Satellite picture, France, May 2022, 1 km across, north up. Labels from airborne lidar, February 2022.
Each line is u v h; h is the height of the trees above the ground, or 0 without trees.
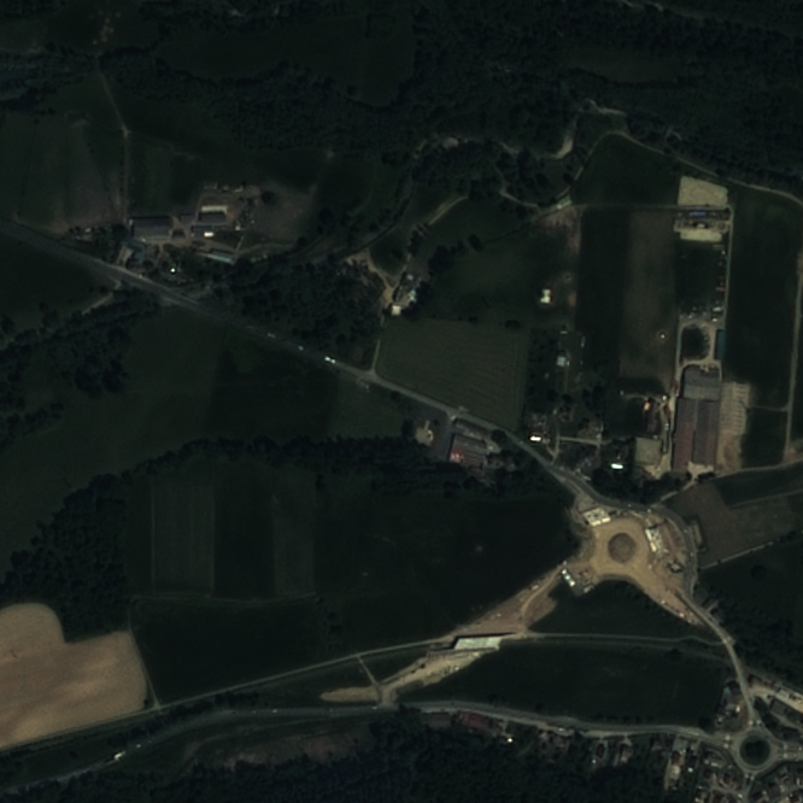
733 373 0
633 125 15
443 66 20
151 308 18
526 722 0
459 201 0
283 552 0
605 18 14
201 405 0
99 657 0
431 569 0
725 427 0
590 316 0
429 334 0
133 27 0
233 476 0
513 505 0
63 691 0
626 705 0
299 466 15
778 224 0
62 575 19
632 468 6
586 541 0
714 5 8
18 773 15
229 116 14
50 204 0
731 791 0
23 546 0
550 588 0
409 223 0
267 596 0
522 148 0
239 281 19
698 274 0
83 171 0
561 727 0
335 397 0
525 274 0
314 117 21
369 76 0
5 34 0
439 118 15
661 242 0
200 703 0
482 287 0
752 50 24
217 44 0
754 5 15
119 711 0
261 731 0
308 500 0
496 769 25
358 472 15
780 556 0
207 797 19
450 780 24
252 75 0
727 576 0
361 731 0
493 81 14
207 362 0
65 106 0
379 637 0
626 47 24
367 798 31
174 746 0
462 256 11
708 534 0
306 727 0
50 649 0
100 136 0
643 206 0
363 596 0
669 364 0
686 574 0
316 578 0
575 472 0
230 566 0
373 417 0
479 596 0
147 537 0
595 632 0
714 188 0
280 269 22
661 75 0
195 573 0
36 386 0
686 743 0
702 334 0
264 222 0
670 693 0
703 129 23
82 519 18
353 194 0
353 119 23
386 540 0
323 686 0
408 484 17
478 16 22
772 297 0
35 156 0
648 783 20
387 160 14
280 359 0
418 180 15
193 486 0
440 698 0
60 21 0
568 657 0
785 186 14
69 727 0
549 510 0
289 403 0
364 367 0
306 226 0
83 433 0
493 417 0
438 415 0
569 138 0
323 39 0
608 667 0
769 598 0
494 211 0
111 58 16
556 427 0
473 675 0
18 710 0
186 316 0
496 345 0
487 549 0
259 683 0
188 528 0
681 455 0
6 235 0
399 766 14
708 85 25
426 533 0
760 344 0
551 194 0
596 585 0
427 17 23
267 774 15
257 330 0
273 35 0
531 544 0
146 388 0
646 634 0
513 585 0
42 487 0
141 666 0
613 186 0
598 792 24
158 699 0
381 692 0
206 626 0
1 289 0
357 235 9
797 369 0
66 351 24
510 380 0
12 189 0
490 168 13
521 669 0
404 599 0
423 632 0
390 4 14
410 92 20
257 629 0
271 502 0
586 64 0
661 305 0
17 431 15
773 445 0
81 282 0
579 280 0
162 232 0
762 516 0
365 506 0
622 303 0
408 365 0
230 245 0
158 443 0
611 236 0
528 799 23
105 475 0
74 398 0
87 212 0
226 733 0
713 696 0
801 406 0
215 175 0
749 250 0
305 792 26
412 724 0
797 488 0
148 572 0
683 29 16
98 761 0
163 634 0
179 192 0
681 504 0
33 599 9
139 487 0
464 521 0
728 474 0
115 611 20
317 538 0
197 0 21
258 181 0
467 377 0
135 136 0
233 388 0
